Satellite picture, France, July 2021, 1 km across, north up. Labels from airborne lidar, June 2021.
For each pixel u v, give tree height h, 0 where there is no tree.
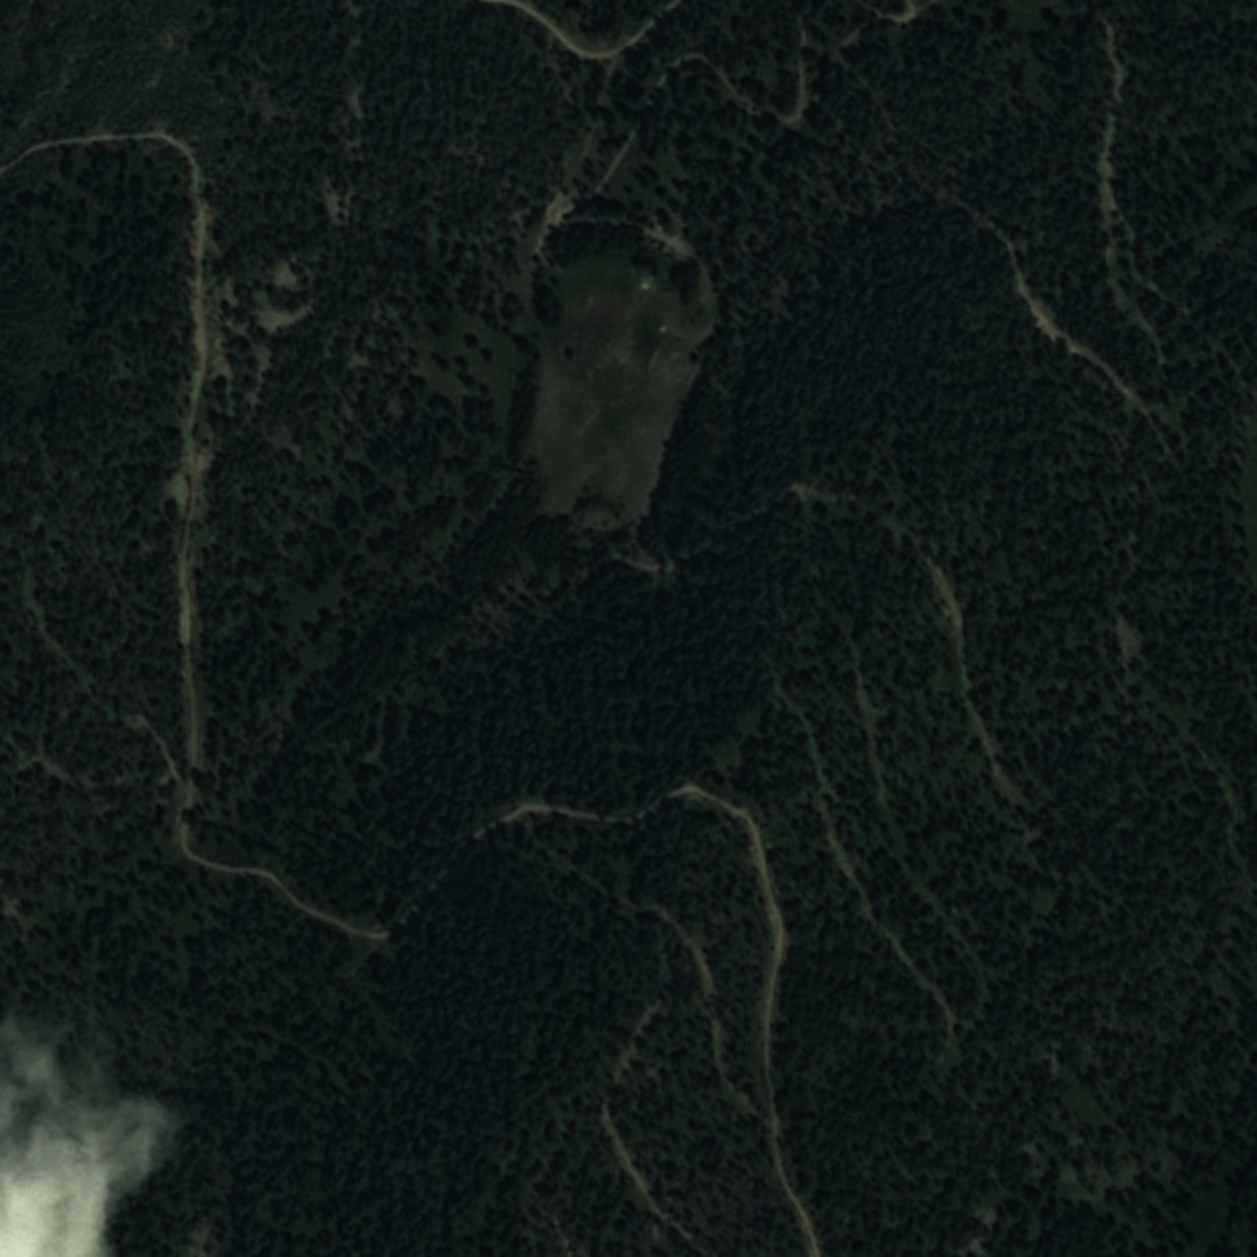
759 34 10
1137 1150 23
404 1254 17
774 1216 22
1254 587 28
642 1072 24
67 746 12
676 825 17
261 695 19
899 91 24
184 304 17
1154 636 16
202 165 6
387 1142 21
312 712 13
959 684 0
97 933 21
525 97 13
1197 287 9
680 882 20
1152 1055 11
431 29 21
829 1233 13
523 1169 19
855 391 11
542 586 13
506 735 7
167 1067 22
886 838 15
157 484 24
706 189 25
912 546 21
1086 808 17
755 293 25
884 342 16
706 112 28
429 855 16
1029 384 19
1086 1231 23
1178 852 21
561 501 0
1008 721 17
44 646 11
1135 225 23
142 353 14
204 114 6
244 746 24
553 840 15
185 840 0
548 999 16
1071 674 13
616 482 0
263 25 14
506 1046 12
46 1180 9
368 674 24
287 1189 19
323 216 25
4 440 19
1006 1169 26
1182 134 12
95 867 23
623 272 0
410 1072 18
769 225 21
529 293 0
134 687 13
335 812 23
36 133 7
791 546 10
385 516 14
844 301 25
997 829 15
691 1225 11
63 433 21
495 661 24
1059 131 18
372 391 22
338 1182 16
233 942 23
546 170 24
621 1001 17
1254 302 22
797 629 19
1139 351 18
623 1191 16
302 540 14
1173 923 22
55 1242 17
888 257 22
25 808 18
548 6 7
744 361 7
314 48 12
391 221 10
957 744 14
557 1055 18
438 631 21
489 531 14
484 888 14
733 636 14
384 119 20
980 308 18
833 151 17
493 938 14
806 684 20
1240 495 27
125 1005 18
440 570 10
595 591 16
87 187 20
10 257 17
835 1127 14
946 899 13
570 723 16
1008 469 22
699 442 16
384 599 10
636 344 0
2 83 6
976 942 21
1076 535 26
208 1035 23
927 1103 19
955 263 8
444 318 0
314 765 23
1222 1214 0
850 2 8
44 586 23
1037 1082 21
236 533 17
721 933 16
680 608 21
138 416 14
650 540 15
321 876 25
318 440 29
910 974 16
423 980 17
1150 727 11
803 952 15
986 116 22
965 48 17
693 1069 16
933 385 19
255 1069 26
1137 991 17
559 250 14
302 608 0
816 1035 12
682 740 18
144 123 7
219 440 16
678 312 0
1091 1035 20
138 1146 9
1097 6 24
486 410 25
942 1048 15
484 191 14
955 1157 17
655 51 13
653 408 0
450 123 15
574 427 0
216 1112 21
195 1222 9
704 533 26
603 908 20
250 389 19
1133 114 21
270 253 18
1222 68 23
